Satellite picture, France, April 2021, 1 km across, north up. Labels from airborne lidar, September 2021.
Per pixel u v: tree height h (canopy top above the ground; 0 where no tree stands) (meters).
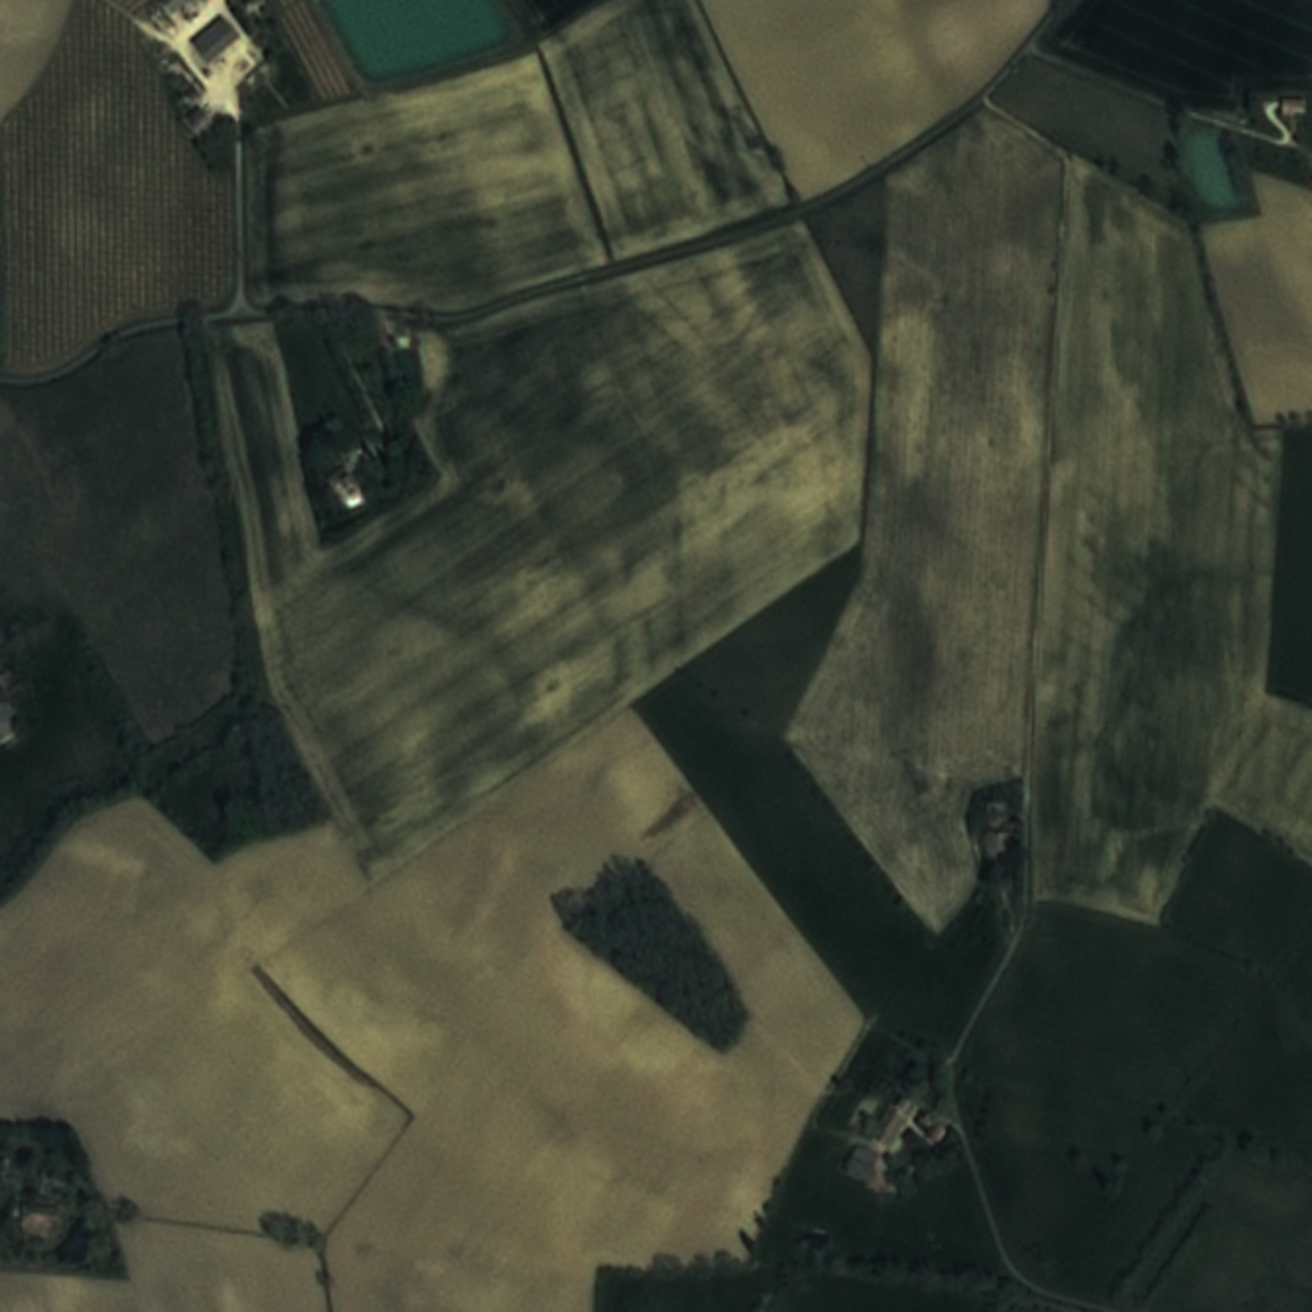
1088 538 0
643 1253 0
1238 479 0
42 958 0
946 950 0
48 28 0
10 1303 0
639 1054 0
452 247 0
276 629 0
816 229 0
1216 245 0
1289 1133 0
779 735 0
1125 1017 0
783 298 0
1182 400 0
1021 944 0
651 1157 0
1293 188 0
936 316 0
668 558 0
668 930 21
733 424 0
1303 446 0
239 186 0
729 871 0
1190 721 0
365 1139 0
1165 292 0
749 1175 0
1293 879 0
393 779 0
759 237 0
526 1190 0
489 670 0
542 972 0
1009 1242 0
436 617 0
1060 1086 0
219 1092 0
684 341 0
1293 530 0
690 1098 0
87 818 19
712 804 0
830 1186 0
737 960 0
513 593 0
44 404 0
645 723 0
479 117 0
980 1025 0
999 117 0
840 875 0
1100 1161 0
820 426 0
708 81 0
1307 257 0
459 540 0
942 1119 24
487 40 0
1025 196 0
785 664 0
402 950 0
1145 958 0
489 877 0
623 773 0
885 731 0
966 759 0
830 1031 0
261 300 0
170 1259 0
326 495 9
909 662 0
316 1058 0
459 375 0
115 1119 0
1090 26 0
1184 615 0
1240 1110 0
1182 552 0
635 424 0
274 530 0
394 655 0
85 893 0
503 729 0
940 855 0
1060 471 0
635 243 0
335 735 0
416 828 0
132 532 0
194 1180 0
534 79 0
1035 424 0
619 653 0
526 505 0
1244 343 0
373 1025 0
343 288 0
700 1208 0
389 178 0
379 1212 0
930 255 0
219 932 0
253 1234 0
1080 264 0
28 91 0
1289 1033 0
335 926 0
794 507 0
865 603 0
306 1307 0
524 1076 0
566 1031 0
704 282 0
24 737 14
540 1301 0
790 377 0
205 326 19
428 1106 0
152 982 0
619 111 0
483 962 0
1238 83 0
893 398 0
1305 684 0
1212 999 0
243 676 13
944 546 0
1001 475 0
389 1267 0
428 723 0
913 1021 0
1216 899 0
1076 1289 0
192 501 0
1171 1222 13
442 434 0
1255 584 0
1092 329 0
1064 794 0
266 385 0
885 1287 15
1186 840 0
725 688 0
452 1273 0
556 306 0
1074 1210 0
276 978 0
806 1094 0
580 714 0
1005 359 0
